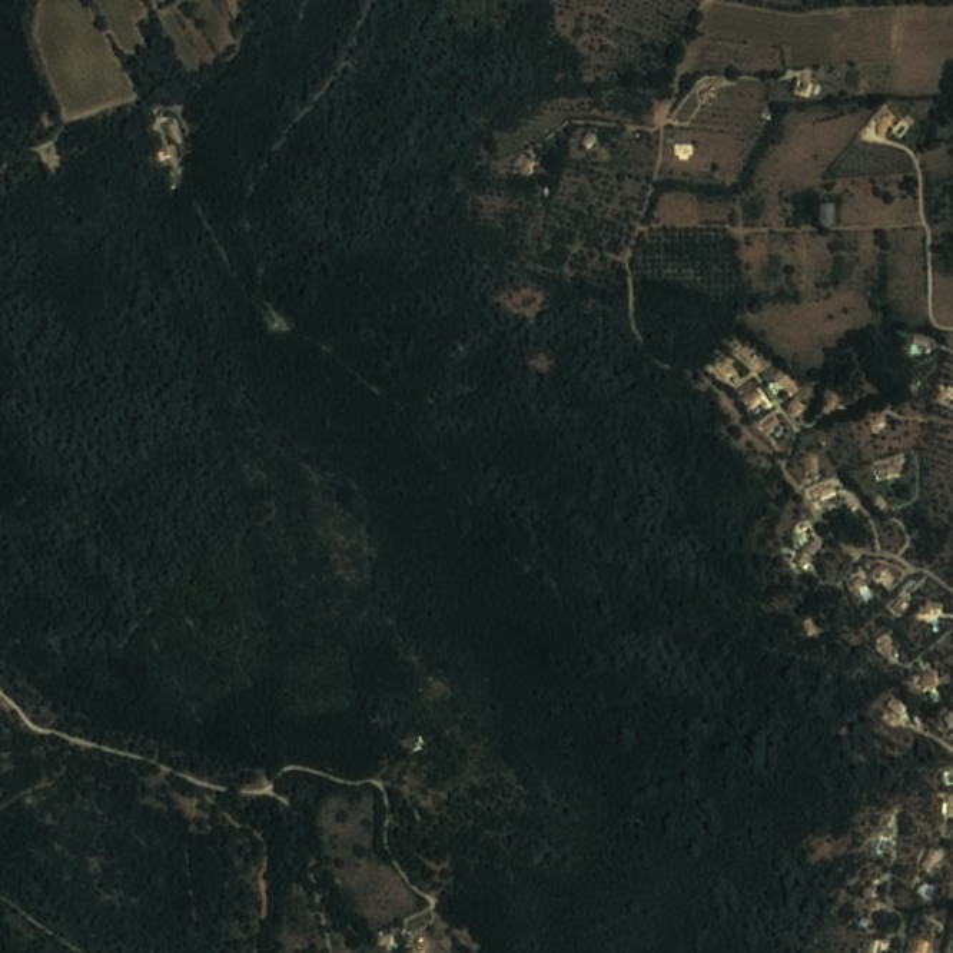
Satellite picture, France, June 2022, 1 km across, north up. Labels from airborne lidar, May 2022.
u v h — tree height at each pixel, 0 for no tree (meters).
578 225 6
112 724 10
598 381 21
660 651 25
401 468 10
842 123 0
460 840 8
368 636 6
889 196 10
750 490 7
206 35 0
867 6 7
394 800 10
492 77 21
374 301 10
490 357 11
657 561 16
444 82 17
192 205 12
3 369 15
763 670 16
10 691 7
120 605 16
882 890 8
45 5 0
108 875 6
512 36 21
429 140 6
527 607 9
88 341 17
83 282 13
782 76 10
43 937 7
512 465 10
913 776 20
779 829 11
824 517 7
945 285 0
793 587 12
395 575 7
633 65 6
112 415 18
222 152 15
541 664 9
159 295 16
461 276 11
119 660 7
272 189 13
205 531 17
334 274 23
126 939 13
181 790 7
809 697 14
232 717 8
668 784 23
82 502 16
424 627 7
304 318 11
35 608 9
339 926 11
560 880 6
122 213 7
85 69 0
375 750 8
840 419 12
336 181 22
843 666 8
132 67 15
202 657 6
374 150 12
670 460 14
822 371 12
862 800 8
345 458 9
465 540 12
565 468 13
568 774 11
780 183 0
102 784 8
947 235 6
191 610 7
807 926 20
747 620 9
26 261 18
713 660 17
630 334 7
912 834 9
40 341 20
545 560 9
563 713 12
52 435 17
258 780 11
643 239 7
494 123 7
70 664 8
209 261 7
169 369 8
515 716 8
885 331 7
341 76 17
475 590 10
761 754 23
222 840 7
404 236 15
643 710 12
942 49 0
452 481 8
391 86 12
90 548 11
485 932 8
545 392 16
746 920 12
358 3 14
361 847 10
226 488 13
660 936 7
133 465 21
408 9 22
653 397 10
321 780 6
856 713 27
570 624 11
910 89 0
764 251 0
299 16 8
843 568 6
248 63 8
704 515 10
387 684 6
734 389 10
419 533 7
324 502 0
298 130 14
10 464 14
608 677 9
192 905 8
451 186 19
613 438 13
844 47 0
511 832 7
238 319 12
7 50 8
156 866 6
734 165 0
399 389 7
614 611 13
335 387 9
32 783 6
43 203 7
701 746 7
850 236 0
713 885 9
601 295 6
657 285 13
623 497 23
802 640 11
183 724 6
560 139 8
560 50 8
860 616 6
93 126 10
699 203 0
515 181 6
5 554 9
